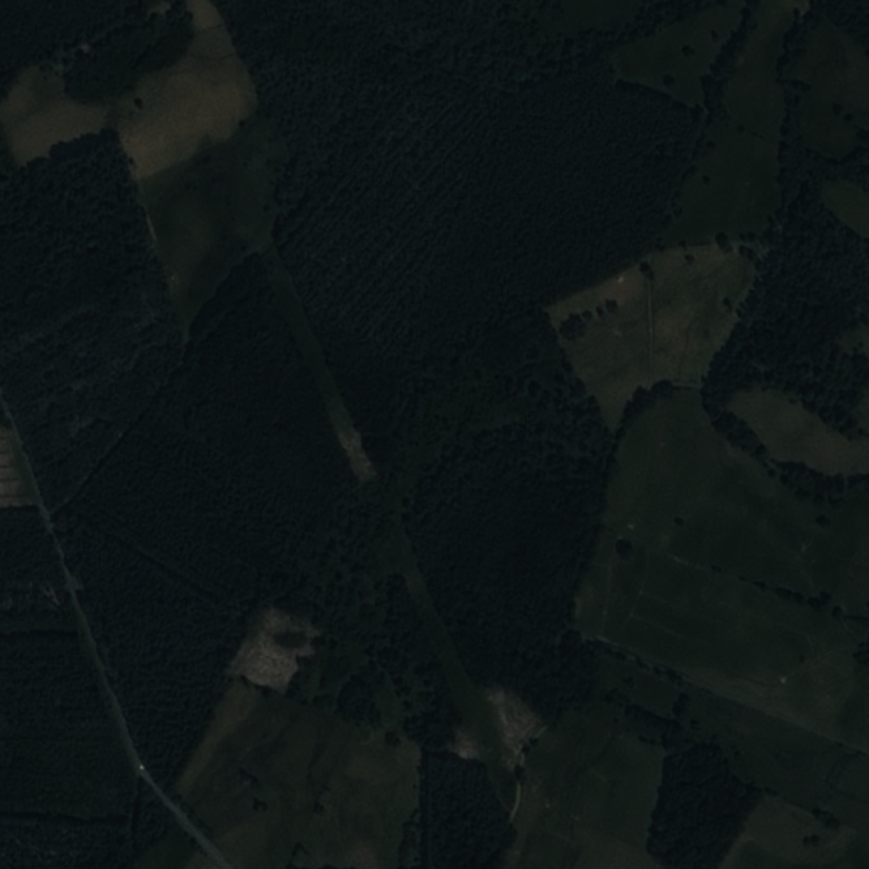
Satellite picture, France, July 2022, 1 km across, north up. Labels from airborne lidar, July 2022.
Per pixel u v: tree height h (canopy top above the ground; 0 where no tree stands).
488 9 10
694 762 27
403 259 17
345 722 13
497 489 18
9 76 21
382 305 18
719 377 27
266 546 13
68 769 6
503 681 22
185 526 9
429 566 17
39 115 0
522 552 21
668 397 13
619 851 0
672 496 0
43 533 16
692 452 0
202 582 11
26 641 18
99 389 18
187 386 20
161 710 13
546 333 20
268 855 0
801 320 25
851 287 25
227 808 0
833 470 0
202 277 0
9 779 7
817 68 0
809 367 16
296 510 13
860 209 0
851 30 15
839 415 30
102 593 25
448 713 20
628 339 0
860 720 0
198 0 0
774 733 0
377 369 20
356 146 16
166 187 0
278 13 15
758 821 0
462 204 20
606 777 0
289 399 18
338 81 8
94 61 18
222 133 0
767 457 11
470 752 0
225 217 0
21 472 0
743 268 0
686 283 0
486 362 23
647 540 0
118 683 23
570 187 20
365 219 19
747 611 0
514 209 20
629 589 0
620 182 20
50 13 17
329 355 16
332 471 15
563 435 13
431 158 21
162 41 12
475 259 20
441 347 20
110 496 8
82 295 14
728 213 0
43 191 24
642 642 0
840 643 0
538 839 0
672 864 20
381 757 0
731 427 16
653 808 0
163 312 16
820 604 15
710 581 0
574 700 19
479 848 18
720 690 0
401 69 18
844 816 0
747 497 0
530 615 19
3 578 22
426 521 17
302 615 22
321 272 19
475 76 22
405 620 20
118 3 16
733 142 0
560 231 25
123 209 17
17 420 17
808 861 0
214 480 8
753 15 10
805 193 22
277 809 0
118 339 17
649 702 0
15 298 14
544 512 20
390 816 0
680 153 20
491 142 20
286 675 0
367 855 0
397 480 13
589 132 23
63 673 17
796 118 15
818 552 0
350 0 8
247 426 20
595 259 21
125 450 13
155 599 21
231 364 15
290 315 0
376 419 24
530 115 23
